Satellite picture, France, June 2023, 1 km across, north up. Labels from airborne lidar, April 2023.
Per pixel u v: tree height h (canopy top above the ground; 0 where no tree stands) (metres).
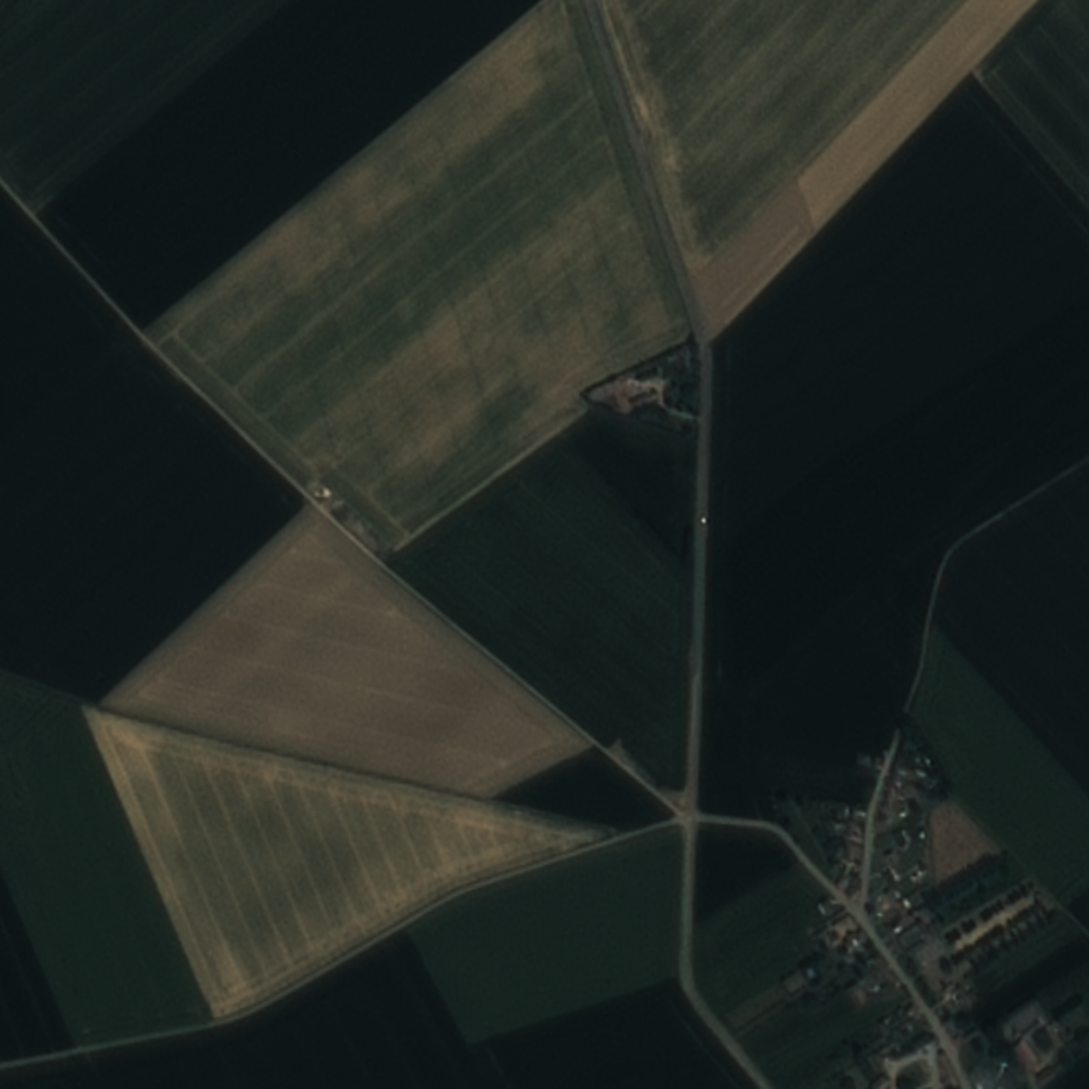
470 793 0
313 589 0
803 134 0
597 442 0
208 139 0
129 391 0
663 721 0
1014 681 0
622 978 0
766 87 0
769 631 0
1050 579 0
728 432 0
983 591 0
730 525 0
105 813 0
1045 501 0
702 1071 0
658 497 0
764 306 0
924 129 0
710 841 0
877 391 0
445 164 0
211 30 0
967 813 0
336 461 0
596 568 0
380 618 0
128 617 0
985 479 0
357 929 0
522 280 0
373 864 0
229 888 0
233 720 0
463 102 0
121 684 0
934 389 0
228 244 0
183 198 0
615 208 0
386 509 0
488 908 0
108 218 0
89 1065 0
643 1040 0
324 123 0
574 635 0
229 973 0
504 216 0
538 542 0
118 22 0
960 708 0
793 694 0
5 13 0
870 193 0
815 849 0
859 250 0
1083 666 0
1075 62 0
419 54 0
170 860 0
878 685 0
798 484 0
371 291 0
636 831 0
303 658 0
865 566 0
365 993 0
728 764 0
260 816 0
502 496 0
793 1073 0
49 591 0
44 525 0
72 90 0
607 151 0
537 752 0
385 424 0
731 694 0
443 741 0
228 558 0
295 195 0
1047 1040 14
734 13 0
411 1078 0
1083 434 0
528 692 0
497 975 0
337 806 0
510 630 0
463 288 0
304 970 0
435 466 0
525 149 0
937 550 0
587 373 0
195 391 0
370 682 0
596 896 0
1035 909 6
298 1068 0
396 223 0
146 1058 0
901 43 0
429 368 0
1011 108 0
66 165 0
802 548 0
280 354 0
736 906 0
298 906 0
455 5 0
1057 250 0
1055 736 0
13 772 0
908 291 0
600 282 0
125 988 0
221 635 0
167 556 0
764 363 0
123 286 0
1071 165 0
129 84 0
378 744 0
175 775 0
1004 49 0
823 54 0
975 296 0
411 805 0
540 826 0
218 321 0
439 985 0
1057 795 0
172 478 0
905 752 8
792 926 0
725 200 0
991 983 0
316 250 0
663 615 0
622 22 0
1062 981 0
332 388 0
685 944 0
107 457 0
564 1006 0
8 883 0
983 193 0
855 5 0
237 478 0
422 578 0
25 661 0
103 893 0
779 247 0
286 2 0
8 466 0
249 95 0
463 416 0
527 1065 0
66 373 0
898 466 0
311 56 0
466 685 0
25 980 0
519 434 0
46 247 0
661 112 0
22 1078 0
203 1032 0
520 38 0
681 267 0
